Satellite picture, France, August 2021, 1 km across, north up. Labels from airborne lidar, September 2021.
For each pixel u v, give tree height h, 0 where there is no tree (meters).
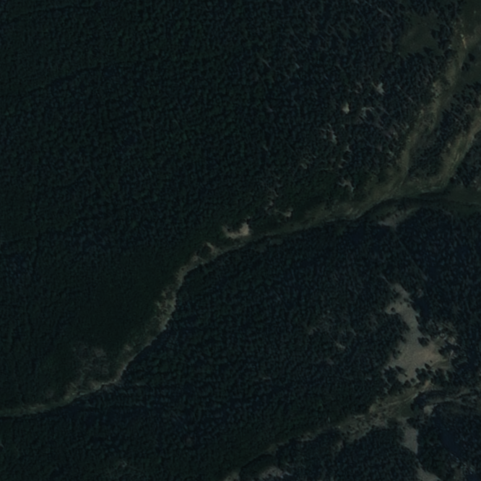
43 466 22
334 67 13
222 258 13
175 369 30
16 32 25
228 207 14
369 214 6
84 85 19
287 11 17
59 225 22
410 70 6
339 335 12
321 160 16
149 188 9
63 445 16
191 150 21
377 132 26
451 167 0
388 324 12
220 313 25
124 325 11
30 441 14
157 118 25
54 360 13
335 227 12
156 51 23
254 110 10
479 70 0
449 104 0
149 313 8
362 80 23
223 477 14
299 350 13
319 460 12
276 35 14
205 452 27
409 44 0
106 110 14
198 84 24
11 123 23
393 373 13
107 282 14
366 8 10
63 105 19
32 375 13
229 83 14
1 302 17
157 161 26
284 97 23
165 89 22
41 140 24
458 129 9
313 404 20
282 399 27
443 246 14
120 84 18
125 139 14
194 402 36
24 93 16
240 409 33
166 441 24
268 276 21
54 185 22
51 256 23
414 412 15
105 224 12
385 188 0
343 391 13
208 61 18
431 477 0
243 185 15
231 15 22
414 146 0
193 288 14
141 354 6
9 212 23
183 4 18
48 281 20
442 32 8
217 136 21
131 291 12
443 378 13
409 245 16
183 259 10
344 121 25
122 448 19
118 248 14
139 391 21
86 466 20
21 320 16
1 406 14
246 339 18
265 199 16
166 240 18
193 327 29
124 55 19
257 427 15
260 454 13
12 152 25
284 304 12
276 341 17
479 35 0
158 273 15
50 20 22
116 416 16
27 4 21
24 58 19
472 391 6
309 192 11
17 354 16
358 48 27
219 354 24
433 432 18
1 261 23
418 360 0
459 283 23
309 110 21
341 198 8
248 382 18
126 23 19
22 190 21
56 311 22
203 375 32
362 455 23
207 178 29
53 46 20
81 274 21
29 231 22
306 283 21
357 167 25
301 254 17
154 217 14
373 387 11
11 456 15
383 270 18
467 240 10
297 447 20
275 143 24
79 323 11
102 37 15
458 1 0
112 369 13
